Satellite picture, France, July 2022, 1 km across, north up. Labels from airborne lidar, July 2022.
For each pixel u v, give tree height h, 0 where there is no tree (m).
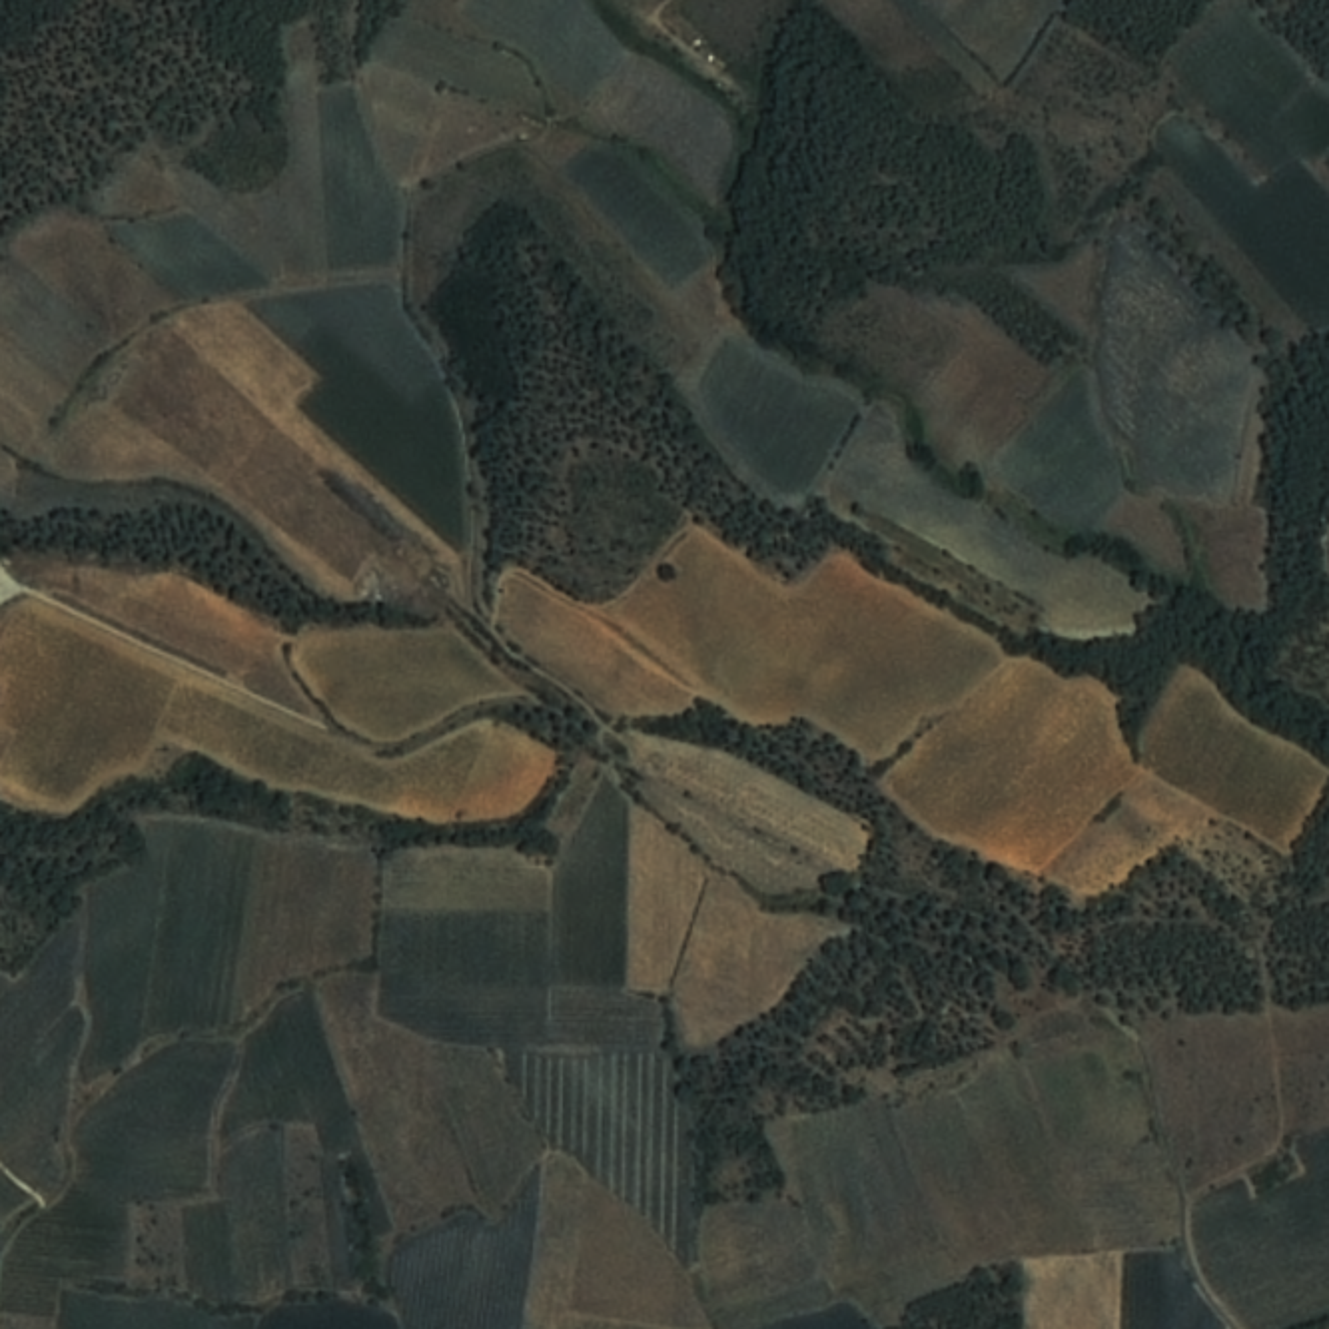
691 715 11
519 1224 0
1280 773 0
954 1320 7
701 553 0
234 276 0
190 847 0
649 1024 0
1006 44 0
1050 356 7
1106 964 9
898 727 0
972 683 0
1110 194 6
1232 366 0
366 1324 0
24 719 0
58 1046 0
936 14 0
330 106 0
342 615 11
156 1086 0
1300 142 0
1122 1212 0
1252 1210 0
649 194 0
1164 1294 0
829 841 0
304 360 0
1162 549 0
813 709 0
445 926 0
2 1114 0
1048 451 0
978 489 7
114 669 0
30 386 0
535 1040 0
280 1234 0
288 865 0
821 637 0
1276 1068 0
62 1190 0
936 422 0
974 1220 0
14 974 6
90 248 0
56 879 14
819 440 0
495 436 10
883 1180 0
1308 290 0
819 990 9
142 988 0
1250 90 0
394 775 0
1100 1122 0
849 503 0
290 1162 0
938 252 15
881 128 8
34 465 7
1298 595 11
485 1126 0
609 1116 0
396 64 0
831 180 9
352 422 0
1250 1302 0
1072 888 0
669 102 0
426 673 0
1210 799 0
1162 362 0
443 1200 0
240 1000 0
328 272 0
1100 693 0
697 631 0
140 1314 0
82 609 0
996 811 0
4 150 12
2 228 14
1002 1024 15
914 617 0
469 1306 0
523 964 0
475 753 0
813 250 9
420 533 0
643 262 0
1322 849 8
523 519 8
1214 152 0
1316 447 13
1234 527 0
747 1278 0
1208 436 0
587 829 0
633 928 0
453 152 0
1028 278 0
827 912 12
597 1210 0
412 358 0
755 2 0
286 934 0
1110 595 0
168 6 13
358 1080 0
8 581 0
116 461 0
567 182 0
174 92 12
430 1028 0
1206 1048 0
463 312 6
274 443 0
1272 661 14
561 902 0
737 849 0
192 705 0
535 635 0
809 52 11
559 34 0
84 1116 0
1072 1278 0
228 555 13
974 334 0
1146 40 14
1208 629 12
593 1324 0
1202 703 0
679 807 0
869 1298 0
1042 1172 0
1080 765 0
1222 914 11
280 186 0
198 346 0
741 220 15
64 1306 0
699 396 0
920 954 13
